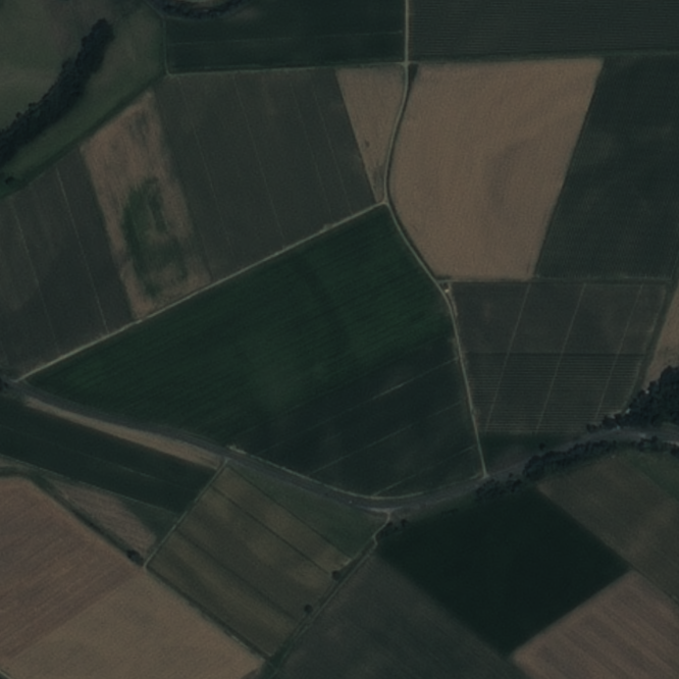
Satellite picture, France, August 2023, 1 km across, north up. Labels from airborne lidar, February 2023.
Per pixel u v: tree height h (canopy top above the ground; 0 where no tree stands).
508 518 0
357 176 0
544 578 0
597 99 0
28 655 0
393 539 0
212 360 0
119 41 0
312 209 0
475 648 0
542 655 0
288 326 0
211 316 0
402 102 0
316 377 0
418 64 0
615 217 0
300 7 0
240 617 0
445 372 0
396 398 0
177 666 0
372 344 0
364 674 0
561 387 0
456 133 0
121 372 0
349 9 0
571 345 0
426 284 0
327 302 0
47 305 0
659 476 0
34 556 0
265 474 0
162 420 0
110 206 0
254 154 0
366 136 0
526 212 0
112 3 0
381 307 0
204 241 0
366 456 0
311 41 0
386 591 0
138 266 0
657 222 0
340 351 0
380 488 0
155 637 0
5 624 0
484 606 0
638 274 0
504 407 0
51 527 0
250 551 0
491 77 0
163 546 0
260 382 0
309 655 0
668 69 0
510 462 0
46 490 0
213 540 0
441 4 0
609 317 0
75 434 0
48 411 0
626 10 0
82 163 0
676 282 0
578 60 0
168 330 0
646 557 0
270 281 0
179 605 0
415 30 0
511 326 0
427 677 0
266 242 0
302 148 0
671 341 0
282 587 0
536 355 0
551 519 0
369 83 0
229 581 0
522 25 0
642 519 0
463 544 0
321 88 0
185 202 0
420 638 0
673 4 0
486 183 0
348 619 0
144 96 0
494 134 0
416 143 0
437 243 0
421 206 0
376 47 0
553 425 0
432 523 0
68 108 23
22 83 0
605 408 0
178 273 0
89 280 0
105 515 0
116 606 0
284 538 0
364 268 0
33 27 0
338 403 0
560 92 0
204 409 0
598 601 0
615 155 0
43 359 0
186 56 0
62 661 0
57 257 0
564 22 0
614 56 0
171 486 0
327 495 0
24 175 0
